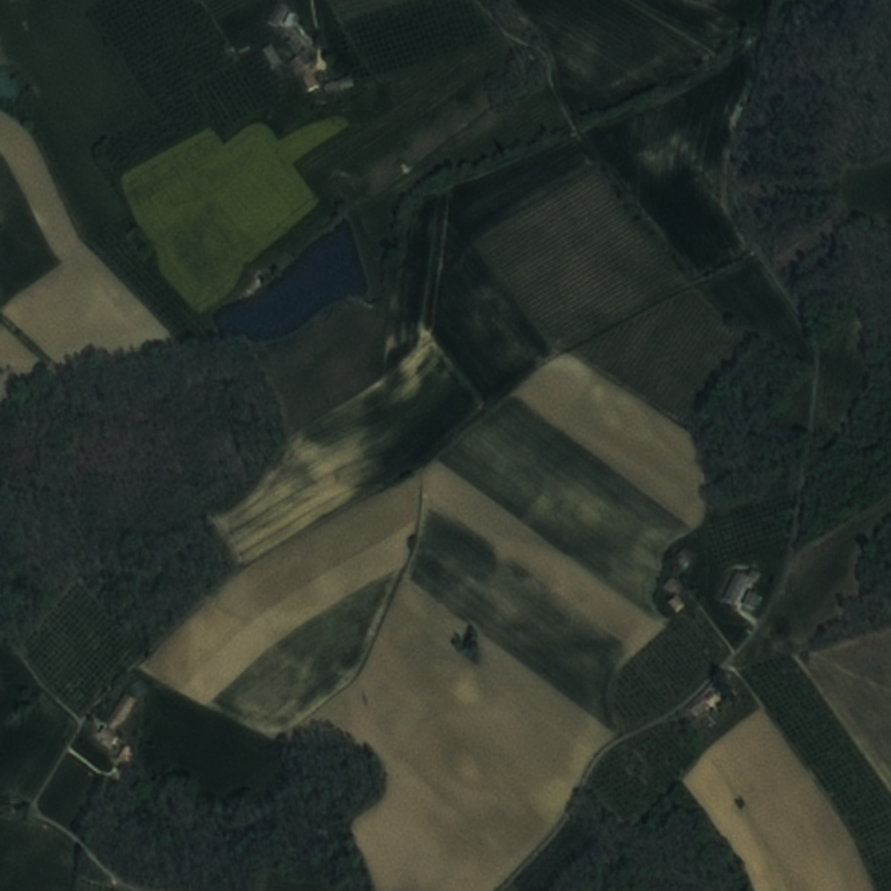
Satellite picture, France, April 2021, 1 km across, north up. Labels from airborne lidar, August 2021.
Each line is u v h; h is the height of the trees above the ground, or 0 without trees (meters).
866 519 0
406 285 0
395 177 0
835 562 0
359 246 0
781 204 14
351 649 0
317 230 7
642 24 0
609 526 0
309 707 0
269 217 0
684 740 14
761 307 0
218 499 17
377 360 0
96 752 0
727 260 0
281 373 0
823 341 22
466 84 0
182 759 0
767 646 0
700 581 0
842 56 20
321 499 0
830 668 0
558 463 0
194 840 24
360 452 0
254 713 0
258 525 0
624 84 0
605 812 10
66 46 0
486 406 9
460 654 9
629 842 17
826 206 15
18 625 17
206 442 14
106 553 19
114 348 0
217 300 0
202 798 6
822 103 15
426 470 0
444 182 15
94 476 8
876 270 16
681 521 0
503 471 0
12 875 0
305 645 0
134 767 19
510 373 0
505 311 0
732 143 10
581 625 0
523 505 0
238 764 0
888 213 0
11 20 0
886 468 19
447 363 0
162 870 15
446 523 0
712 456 15
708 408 22
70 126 0
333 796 24
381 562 0
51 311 0
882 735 0
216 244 0
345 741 17
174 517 13
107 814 27
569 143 0
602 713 0
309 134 0
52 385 18
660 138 0
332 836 15
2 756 0
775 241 15
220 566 19
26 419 8
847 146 13
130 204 0
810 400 0
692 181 0
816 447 13
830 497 12
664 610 0
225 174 0
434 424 0
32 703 10
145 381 19
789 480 22
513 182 0
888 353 20
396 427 0
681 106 0
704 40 0
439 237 0
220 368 21
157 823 23
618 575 0
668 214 0
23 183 0
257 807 11
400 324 0
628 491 0
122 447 7
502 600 0
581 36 0
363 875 8
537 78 19
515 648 0
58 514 17
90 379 21
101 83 0
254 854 20
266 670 0
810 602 0
